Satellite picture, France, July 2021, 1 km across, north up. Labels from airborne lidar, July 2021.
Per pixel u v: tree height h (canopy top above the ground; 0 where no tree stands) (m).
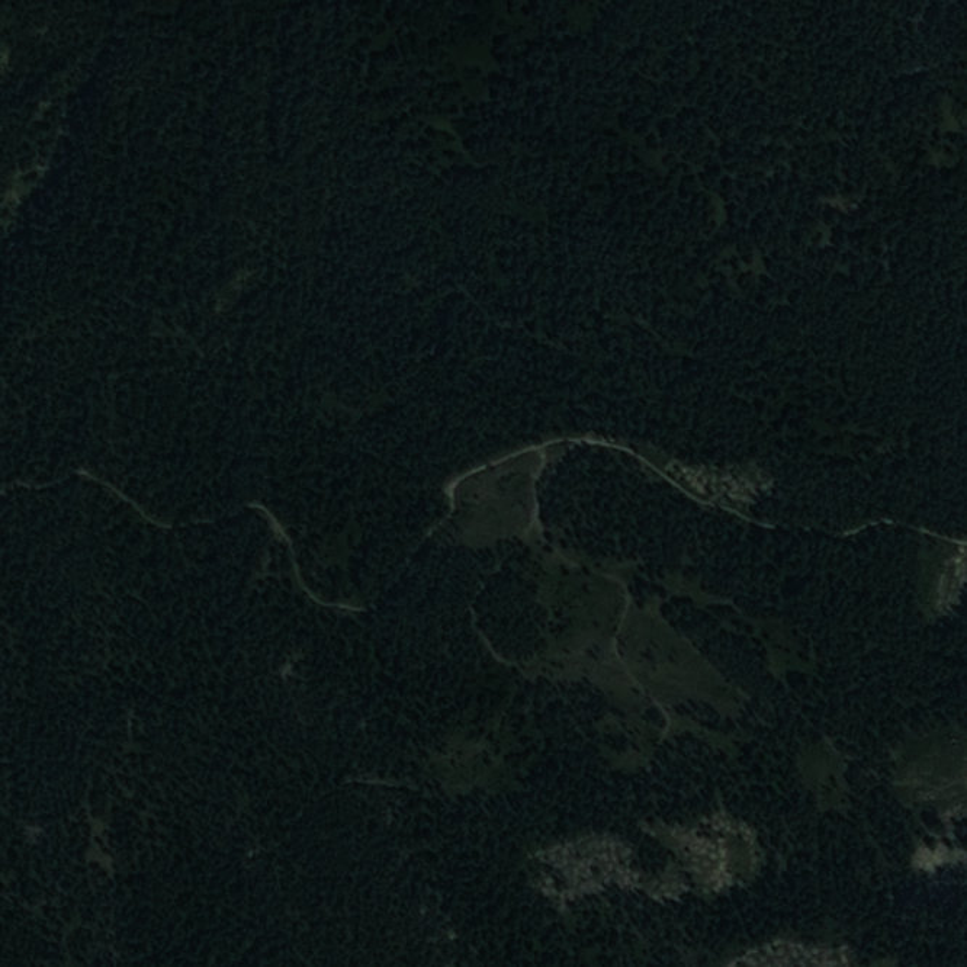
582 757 21
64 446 19
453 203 25
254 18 16
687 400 26
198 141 9
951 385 34
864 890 19
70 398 9
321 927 18
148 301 22
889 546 19
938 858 0
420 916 11
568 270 23
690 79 7
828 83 16
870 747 22
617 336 9
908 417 19
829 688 16
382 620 23
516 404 11
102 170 11
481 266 14
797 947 0
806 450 20
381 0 12
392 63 11
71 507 17
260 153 28
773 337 23
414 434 23
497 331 10
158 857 19
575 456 22
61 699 18
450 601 20
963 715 23
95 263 22
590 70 28
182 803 19
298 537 21
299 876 12
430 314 7
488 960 17
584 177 14
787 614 14
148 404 14
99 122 22
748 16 25
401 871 20
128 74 10
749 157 27
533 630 20
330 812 10
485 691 7
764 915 20
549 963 18
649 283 21
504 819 25
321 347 28
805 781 22
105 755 14
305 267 25
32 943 10
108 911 15
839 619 24
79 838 16
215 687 17
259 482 24
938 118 9
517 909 18
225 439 23
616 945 16
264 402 10
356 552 21
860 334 21
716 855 0
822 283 21
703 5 26
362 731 15
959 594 0
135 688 21
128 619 18
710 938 22
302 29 11
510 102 17
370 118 7
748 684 24
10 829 12
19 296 19
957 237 22
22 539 20
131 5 21
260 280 9
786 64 15
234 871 9
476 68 9
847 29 19
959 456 28
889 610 18
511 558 7
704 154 8
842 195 9
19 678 7
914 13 22
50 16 17
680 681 0
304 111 25
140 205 17
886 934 10
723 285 21
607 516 14
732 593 15
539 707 18
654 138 15
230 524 23
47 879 22
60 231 25
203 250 11
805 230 28
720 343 29
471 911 16
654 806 16
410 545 18
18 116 19
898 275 21
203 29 12
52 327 14
